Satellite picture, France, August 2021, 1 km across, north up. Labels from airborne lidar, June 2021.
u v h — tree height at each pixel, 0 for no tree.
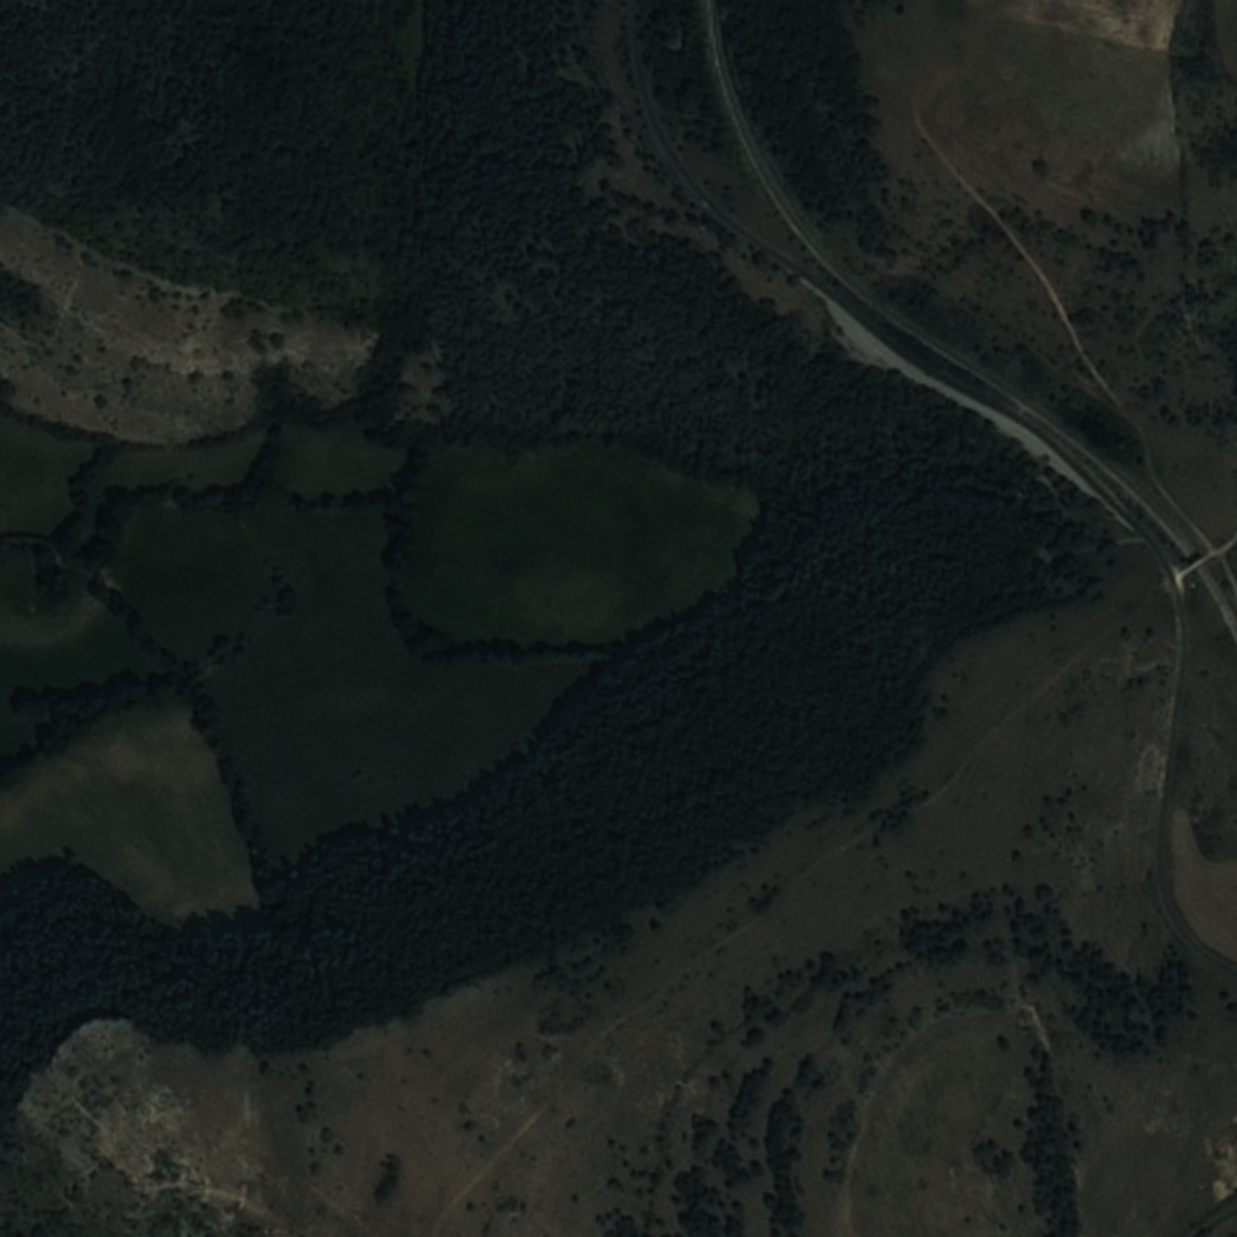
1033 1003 0
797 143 12
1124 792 0
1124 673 0
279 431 13
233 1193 0
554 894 12
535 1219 0
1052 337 0
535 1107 0
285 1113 0
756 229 0
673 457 13
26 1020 19
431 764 0
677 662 15
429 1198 0
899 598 9
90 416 0
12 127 12
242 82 11
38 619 0
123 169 13
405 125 8
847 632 10
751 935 0
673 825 14
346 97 7
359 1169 0
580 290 13
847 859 0
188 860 0
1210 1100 0
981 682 0
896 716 7
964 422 13
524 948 9
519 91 12
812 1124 0
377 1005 8
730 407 13
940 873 0
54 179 8
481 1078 0
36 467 0
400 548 15
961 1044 0
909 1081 0
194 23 8
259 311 8
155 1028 8
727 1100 0
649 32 8
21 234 0
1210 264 7
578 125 9
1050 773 0
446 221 6
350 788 0
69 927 13
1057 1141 15
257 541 0
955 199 0
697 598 0
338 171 10
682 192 6
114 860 0
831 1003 0
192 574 0
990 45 0
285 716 0
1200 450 0
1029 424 0
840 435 14
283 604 9
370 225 7
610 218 6
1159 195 0
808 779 7
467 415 8
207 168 10
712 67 6
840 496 19
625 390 15
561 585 0
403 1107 0
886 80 0
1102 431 12
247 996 18
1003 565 12
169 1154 0
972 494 18
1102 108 0
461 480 0
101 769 0
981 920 9
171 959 17
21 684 0
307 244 10
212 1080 0
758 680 12
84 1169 0
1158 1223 0
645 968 0
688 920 0
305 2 7
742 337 14
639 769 10
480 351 12
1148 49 0
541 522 0
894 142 0
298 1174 0
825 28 12
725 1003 0
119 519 25
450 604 0
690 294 14
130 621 11
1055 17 0
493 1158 0
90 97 9
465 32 18
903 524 17
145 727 0
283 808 0
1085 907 0
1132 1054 9
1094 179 0
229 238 8
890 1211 0
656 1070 0
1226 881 0
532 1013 0
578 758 16
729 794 13
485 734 0
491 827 15
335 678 0
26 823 0
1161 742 0
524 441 17
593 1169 0
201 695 11
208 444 10
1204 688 0
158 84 10
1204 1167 0
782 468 12
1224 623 0
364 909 13
